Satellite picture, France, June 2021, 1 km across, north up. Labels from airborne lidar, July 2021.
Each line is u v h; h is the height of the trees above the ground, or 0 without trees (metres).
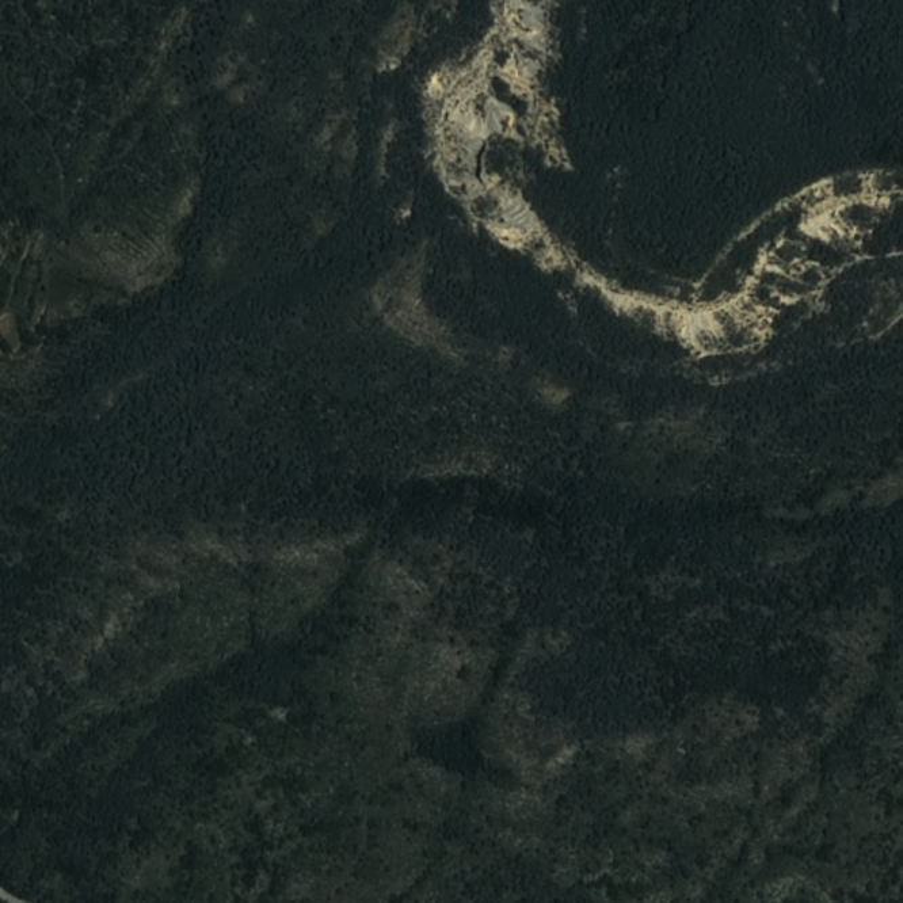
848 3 8
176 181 6
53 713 6
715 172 10
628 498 8
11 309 0
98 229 7
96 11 6
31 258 7
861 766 7
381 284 0
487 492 9
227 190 7
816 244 8
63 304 0
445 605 6
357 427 7
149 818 6
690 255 8
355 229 8
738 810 7
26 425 7
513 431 8
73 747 10
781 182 6
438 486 9
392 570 0
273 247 6
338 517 10
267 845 7
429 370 8
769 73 8
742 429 7
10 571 7
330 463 7
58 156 7
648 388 11
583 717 8
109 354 7
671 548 7
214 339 11
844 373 8
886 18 9
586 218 8
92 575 7
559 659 8
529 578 9
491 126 0
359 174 6
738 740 6
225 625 0
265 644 6
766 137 10
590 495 12
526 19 0
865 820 0
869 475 8
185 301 6
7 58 8
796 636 6
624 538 6
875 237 7
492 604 8
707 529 12
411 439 7
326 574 0
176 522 7
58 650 6
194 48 15
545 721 7
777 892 0
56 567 7
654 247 8
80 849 10
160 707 10
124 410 10
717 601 8
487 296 6
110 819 8
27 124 7
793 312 10
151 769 6
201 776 7
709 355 7
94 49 6
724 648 7
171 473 11
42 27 6
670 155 6
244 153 10
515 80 0
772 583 11
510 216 0
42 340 6
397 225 9
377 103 8
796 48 8
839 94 7
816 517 8
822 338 6
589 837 7
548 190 9
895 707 7
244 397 9
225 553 0
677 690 10
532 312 6
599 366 8
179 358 7
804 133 9
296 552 0
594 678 9
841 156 8
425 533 8
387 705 0
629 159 6
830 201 0
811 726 8
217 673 7
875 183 0
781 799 9
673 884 9
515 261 8
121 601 0
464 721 7
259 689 9
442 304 8
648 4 8
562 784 7
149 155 6
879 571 8
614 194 8
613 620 9
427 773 0
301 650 9
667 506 8
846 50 8
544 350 10
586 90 8
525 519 11
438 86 0
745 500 7
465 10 8
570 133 8
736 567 10
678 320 0
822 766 8
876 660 8
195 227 13
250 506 9
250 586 6
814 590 9
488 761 10
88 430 8
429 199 10
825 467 7
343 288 8
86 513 7
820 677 8
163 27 0
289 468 10
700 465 7
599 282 0
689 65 14
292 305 11
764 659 7
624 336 7
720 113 9
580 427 7
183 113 7
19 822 9
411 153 8
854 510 12
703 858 7
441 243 6
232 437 9
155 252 0
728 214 10
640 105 7
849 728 6
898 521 14
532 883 9
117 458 11
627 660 8
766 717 7
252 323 9
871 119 10
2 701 6
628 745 0
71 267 0
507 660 8
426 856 7
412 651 0
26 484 8
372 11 10
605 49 7
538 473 10
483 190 0
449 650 0
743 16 10
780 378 9
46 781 9
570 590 9
